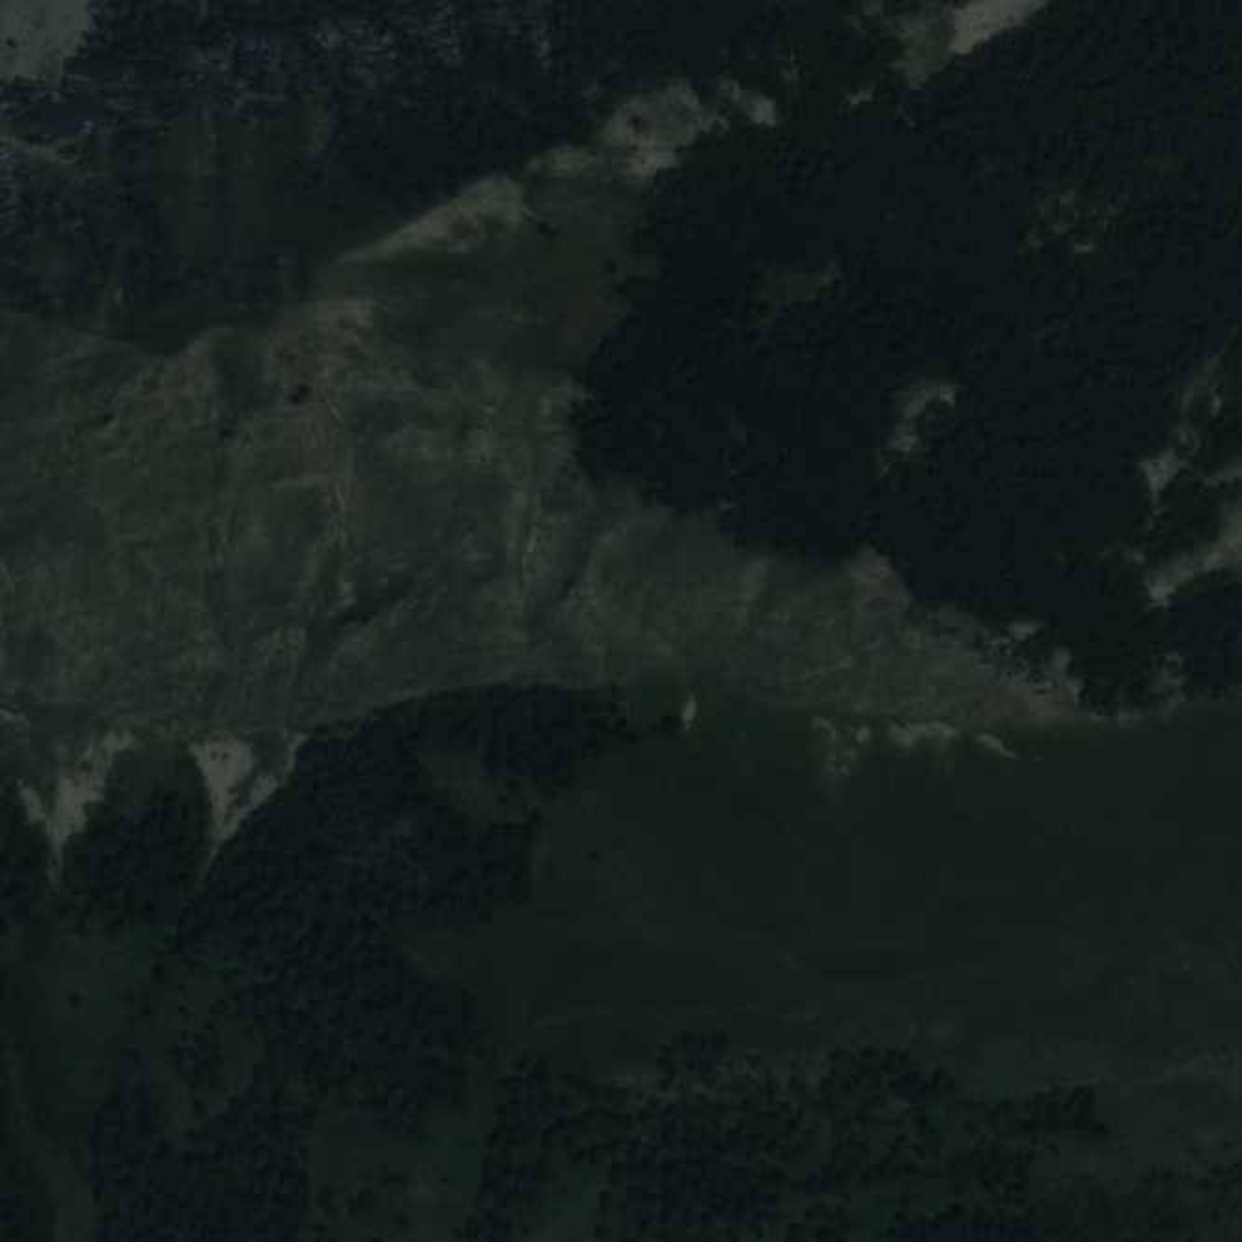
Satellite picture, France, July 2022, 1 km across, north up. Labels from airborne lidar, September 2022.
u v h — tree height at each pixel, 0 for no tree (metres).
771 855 0
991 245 10
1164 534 11
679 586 0
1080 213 7
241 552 0
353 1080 23
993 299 14
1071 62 18
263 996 22
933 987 0
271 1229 20
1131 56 9
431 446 0
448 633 0
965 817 0
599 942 0
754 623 0
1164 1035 0
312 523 0
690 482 12
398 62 7
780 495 14
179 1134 0
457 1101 8
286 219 0
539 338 0
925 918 0
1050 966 0
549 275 0
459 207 0
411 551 0
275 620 0
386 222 0
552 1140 17
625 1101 16
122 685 0
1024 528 14
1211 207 15
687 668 0
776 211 12
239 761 0
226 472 0
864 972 0
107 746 0
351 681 0
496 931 0
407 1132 6
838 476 13
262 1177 20
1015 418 14
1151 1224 6
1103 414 19
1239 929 0
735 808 0
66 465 0
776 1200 18
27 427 0
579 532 0
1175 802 0
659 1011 0
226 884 16
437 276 0
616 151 0
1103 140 14
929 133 14
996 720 0
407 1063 10
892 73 12
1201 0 16
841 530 13
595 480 6
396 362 0
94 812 5
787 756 0
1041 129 15
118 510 0
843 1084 7
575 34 15
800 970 0
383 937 15
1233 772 0
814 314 13
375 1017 19
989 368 16
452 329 0
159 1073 0
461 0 13
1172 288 17
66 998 0
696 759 0
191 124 0
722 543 0
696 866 0
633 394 15
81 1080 0
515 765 16
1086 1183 6
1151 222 16
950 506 14
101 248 8
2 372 0
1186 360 7
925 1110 8
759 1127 15
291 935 19
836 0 14
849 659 0
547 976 0
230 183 0
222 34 12
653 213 8
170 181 0
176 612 0
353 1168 0
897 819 0
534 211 0
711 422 15
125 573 0
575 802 0
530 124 8
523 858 20
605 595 0
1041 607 15
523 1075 14
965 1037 0
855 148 15
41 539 0
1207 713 0
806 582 0
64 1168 0
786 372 14
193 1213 21
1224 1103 0
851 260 14
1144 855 0
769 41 10
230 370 0
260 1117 22
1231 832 0
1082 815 0
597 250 0
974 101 13
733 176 16
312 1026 20
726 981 0
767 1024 0
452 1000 8
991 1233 23
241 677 0
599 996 0
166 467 0
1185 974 0
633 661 0
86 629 0
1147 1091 0
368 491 0
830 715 0
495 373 0
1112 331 14
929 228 10
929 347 14
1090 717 0
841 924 0
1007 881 0
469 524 0
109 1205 18
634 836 0
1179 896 0
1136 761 0
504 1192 14
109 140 0
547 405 0
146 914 7
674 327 16
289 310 0
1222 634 10
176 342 0
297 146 0
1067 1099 13
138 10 19
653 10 10
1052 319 14
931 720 0
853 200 15
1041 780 0
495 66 14
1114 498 13
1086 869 0
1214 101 6
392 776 22
